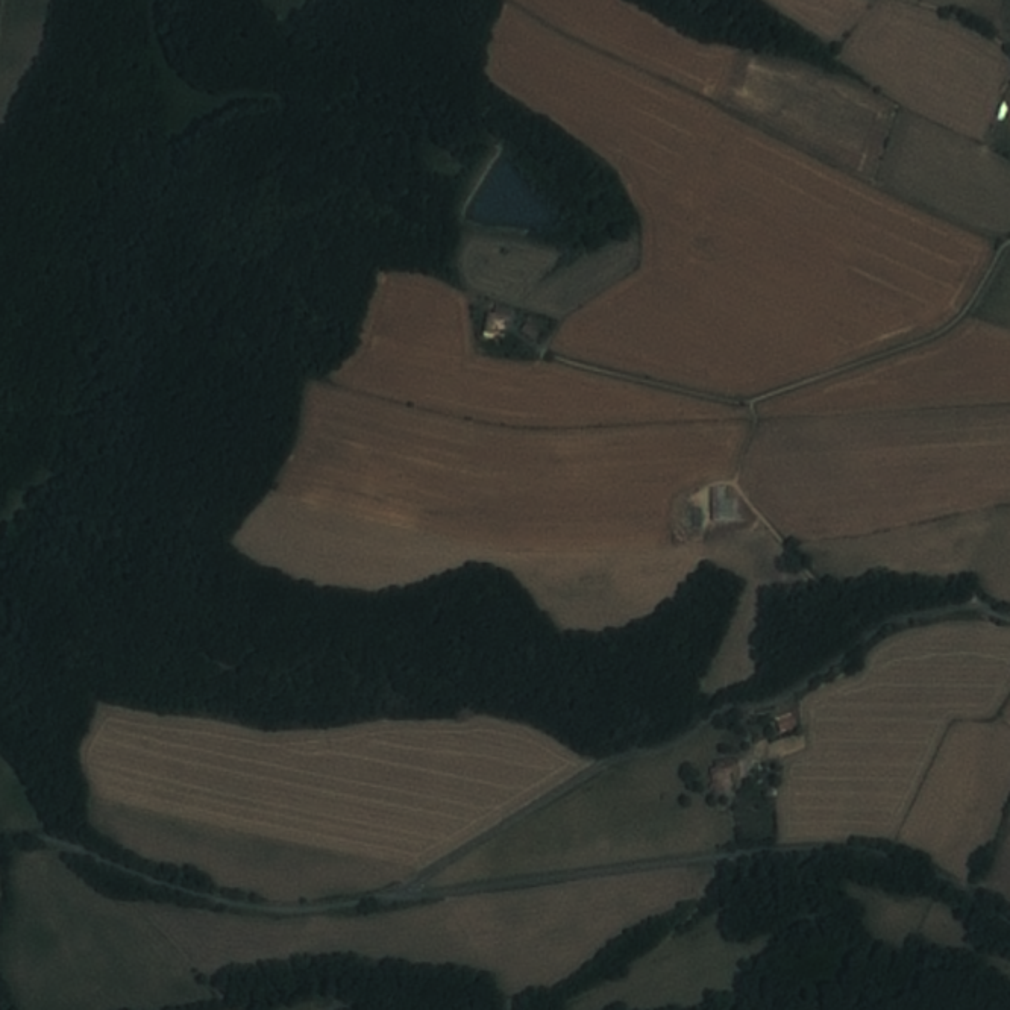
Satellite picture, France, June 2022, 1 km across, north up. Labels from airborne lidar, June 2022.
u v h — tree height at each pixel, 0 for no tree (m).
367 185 17
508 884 0
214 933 0
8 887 12
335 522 0
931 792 0
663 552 0
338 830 0
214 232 22
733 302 0
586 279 0
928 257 0
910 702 0
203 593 19
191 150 26
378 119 28
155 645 16
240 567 18
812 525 0
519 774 0
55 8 16
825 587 18
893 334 0
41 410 24
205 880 16
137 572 16
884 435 0
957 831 0
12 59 0
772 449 0
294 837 0
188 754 0
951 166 0
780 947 20
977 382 0
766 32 14
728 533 0
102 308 27
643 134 0
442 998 25
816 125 0
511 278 0
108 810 0
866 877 21
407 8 24
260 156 24
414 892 0
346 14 21
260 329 22
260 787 0
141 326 24
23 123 19
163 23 18
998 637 0
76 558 27
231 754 0
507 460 0
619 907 0
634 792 0
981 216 0
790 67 0
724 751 10
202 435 29
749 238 0
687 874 0
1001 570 0
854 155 0
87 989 0
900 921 0
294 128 28
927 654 0
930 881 21
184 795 0
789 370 0
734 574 15
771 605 18
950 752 0
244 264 21
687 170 0
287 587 17
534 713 14
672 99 0
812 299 0
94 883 13
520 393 0
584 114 0
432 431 0
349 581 0
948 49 0
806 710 0
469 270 0
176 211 22
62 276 30
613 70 0
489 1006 24
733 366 0
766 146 0
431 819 0
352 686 12
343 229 19
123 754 0
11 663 17
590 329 0
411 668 17
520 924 0
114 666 20
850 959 18
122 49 25
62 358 24
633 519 0
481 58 17
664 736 17
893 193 0
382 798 0
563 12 0
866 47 0
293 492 0
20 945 0
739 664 0
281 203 16
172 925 0
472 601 21
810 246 0
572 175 14
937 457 0
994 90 0
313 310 19
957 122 0
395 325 0
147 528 22
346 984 24
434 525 0
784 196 0
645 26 0
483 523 0
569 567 0
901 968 24
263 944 0
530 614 16
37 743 22
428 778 0
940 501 0
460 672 24
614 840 0
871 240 0
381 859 0
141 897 16
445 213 22
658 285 0
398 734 0
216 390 23
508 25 0
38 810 16
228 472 23
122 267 23
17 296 24
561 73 0
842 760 0
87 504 23
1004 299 0
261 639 18
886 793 0
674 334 0
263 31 20
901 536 0
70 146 23
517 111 13
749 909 20
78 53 19
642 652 18
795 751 0
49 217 28
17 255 28
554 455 0
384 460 0
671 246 0
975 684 0
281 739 0
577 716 18
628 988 0
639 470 0
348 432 0
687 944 0
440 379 0
